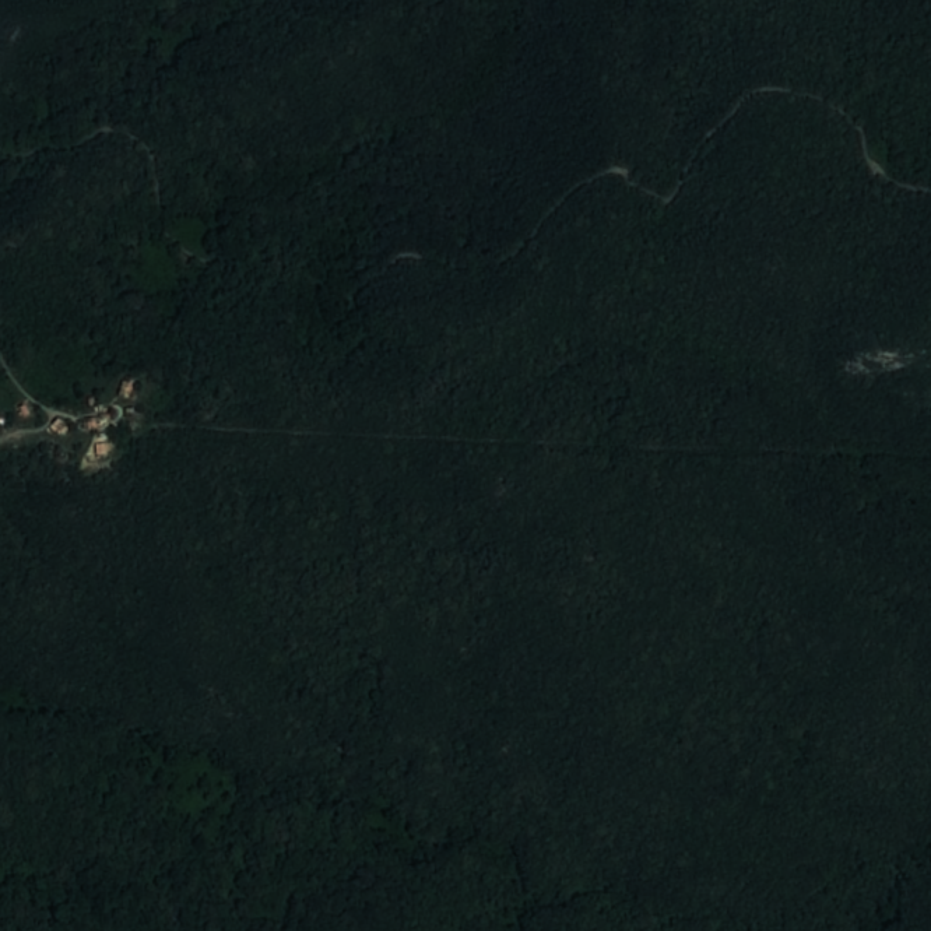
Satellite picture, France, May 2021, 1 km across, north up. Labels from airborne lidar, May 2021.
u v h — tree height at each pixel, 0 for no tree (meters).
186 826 8
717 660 9
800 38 9
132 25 12
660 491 9
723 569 9
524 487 7
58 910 22
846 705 7
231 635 8
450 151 17
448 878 14
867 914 15
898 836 12
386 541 9
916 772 10
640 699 8
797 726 12
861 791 9
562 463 11
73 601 8
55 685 12
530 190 9
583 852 11
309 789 20
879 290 8
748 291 7
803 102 6
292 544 8
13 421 9
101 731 16
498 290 12
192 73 16
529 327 7
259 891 19
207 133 10
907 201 10
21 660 10
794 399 13
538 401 12
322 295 16
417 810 13
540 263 12
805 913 13
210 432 6
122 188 12
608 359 13
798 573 7
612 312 10
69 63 18
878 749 8
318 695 12
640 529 11
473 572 12
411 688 8
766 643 9
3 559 11
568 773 12
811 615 8
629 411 12
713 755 7
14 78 8
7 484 13
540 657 9
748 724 7
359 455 6
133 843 13
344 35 6
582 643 8
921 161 11
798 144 8
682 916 8
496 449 8
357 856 21
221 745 11
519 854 17
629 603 9
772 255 6
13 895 16
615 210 10
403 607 8
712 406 11
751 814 13
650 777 8
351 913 16
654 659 6
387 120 14
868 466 20
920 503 25
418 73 11
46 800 13
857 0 12
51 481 9
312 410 6
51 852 12
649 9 18
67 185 6
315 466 7
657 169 14
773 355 8
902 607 13
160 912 13
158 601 5
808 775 15
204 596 8
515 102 12
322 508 13
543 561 8
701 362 16
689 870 10
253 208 16
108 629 9
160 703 11
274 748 7
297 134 9
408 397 6
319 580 12
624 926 14
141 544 10
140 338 16
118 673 9
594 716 6
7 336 9
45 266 14
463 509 11
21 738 16
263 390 8
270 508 12
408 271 7
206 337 13
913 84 9
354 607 17
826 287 7
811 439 11
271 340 8
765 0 9
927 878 15
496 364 6
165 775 13
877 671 7
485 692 21
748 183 8
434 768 9
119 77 15
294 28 15
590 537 8
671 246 9
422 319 6
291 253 18
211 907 15
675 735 15
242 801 9
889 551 12
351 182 21
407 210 10
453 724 11
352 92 10
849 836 6
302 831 17
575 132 13
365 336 13
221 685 6
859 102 9
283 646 12
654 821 10
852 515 13
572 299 12
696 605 12
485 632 10
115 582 10
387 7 10
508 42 21
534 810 15
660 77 16
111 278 12
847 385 11
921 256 9
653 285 8
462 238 19
